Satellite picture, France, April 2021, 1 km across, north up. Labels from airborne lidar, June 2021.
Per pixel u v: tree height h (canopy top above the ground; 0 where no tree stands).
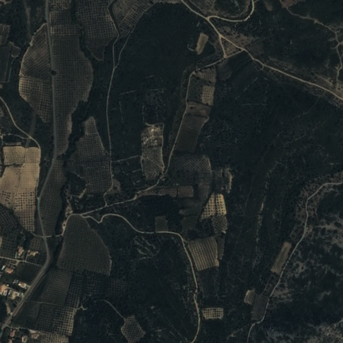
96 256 0
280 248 8
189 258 0
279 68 0
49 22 0
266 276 6
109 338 7
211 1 0
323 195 0
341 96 0
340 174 7
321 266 0
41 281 0
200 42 0
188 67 0
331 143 0
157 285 0
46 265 0
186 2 0
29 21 0
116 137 0
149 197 7
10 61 0
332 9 0
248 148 0
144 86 6
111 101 0
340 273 0
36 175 0
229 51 0
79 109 6
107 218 0
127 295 7
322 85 0
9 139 7
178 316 0
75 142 6
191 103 0
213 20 6
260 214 7
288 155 0
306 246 0
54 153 0
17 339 9
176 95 0
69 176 11
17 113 0
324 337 0
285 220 9
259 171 0
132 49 0
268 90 6
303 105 0
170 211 7
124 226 0
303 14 0
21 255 8
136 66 0
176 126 0
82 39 8
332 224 0
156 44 0
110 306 6
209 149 0
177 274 0
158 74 0
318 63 0
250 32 7
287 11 0
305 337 0
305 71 0
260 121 6
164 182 9
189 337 0
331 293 0
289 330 0
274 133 0
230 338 9
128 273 6
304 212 0
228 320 7
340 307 0
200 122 0
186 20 0
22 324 0
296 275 0
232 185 6
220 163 6
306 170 6
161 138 0
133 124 0
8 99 0
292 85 0
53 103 0
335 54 0
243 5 0
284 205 9
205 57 0
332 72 0
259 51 0
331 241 0
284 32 0
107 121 0
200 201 0
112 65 0
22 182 0
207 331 8
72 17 9
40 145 0
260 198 0
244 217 0
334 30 0
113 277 9
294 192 8
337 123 7
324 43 0
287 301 0
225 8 0
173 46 0
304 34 0
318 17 0
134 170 0
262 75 0
